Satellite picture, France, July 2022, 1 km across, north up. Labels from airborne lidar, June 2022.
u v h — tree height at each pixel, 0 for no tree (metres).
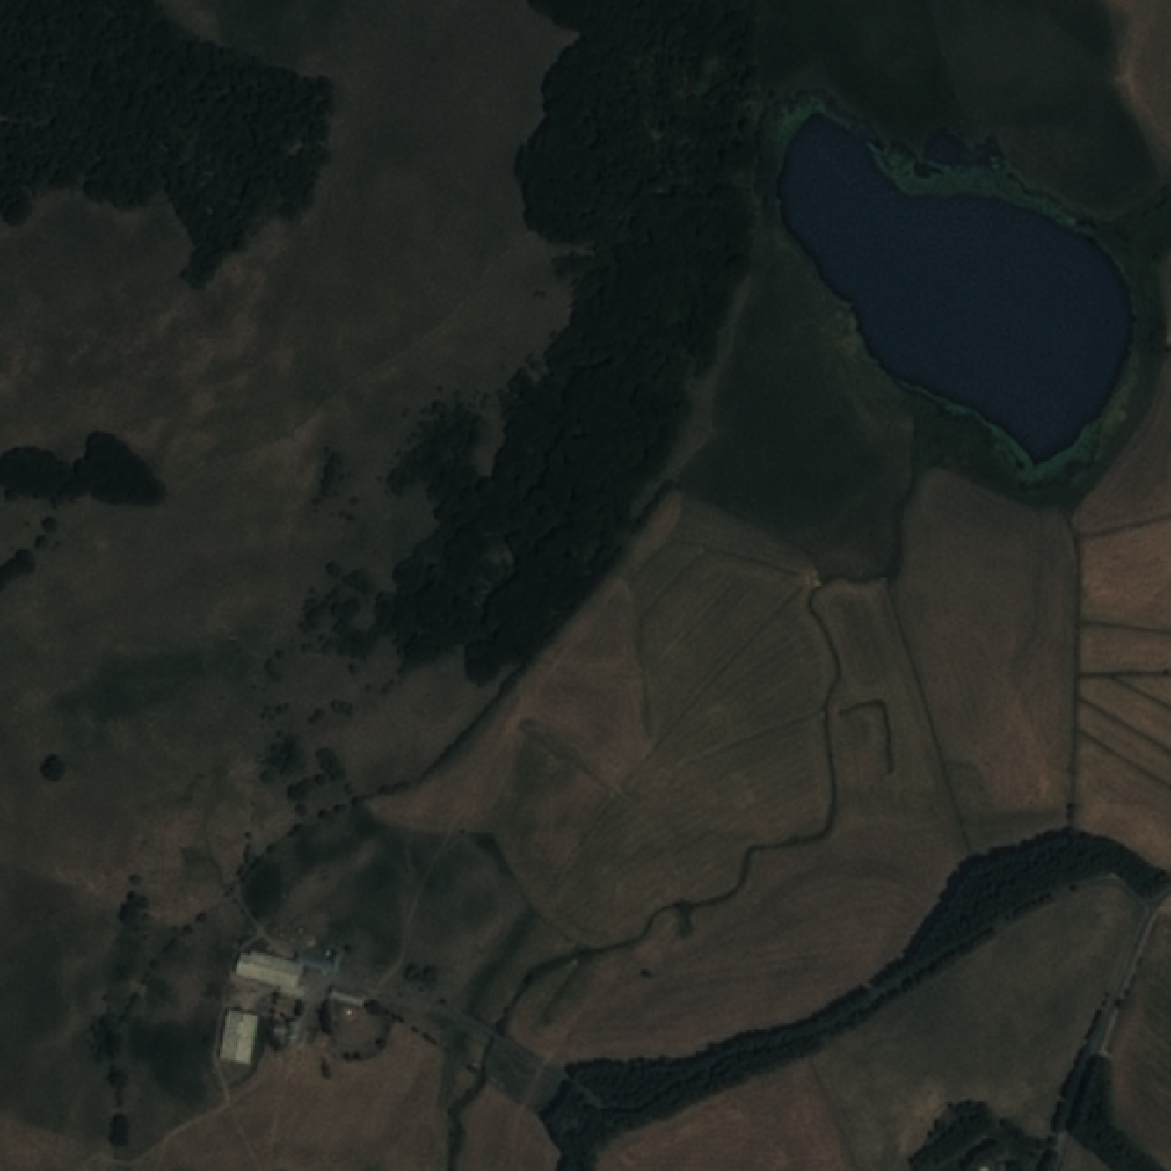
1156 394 0
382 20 0
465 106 0
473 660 15
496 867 0
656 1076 20
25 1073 0
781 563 0
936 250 0
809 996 0
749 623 0
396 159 0
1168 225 0
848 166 0
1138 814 0
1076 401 0
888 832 0
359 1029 0
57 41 12
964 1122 14
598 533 20
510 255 0
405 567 7
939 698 0
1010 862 21
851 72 0
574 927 0
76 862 0
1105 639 0
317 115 8
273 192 9
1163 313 0
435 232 0
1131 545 0
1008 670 0
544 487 20
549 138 21
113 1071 7
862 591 0
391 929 0
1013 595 0
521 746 0
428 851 0
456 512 7
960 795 0
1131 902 0
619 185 16
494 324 0
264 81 15
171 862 0
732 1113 0
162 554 0
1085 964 0
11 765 0
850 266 0
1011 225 0
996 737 0
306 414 0
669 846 0
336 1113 0
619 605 0
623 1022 0
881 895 0
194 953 0
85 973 0
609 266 6
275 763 8
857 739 0
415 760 0
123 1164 0
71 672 0
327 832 0
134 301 0
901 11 0
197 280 12
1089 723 0
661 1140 0
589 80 21
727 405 0
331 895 0
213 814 0
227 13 0
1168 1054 0
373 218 0
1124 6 0
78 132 11
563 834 0
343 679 0
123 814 0
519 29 0
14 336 0
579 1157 20
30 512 0
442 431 7
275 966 0
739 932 0
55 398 0
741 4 19
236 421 0
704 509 0
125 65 15
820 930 0
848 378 0
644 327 21
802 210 0
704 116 10
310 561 0
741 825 0
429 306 0
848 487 0
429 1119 0
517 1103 0
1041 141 0
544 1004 0
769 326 0
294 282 0
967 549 0
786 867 0
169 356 0
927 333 0
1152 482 0
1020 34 0
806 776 0
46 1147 0
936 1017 0
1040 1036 0
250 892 0
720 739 0
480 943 0
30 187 12
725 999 0
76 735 0
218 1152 0
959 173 0
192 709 0
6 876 0
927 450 0
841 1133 0
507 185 0
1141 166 0
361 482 0
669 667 0
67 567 0
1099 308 0
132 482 19
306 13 0
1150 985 0
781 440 0
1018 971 0
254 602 0
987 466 0
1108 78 0
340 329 0
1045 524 0
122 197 10
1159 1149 0
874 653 0
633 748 0
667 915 0
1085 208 0
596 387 24
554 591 23
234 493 0
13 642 0
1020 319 0
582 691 0
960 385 0
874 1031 0
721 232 24
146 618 0
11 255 0
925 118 0
